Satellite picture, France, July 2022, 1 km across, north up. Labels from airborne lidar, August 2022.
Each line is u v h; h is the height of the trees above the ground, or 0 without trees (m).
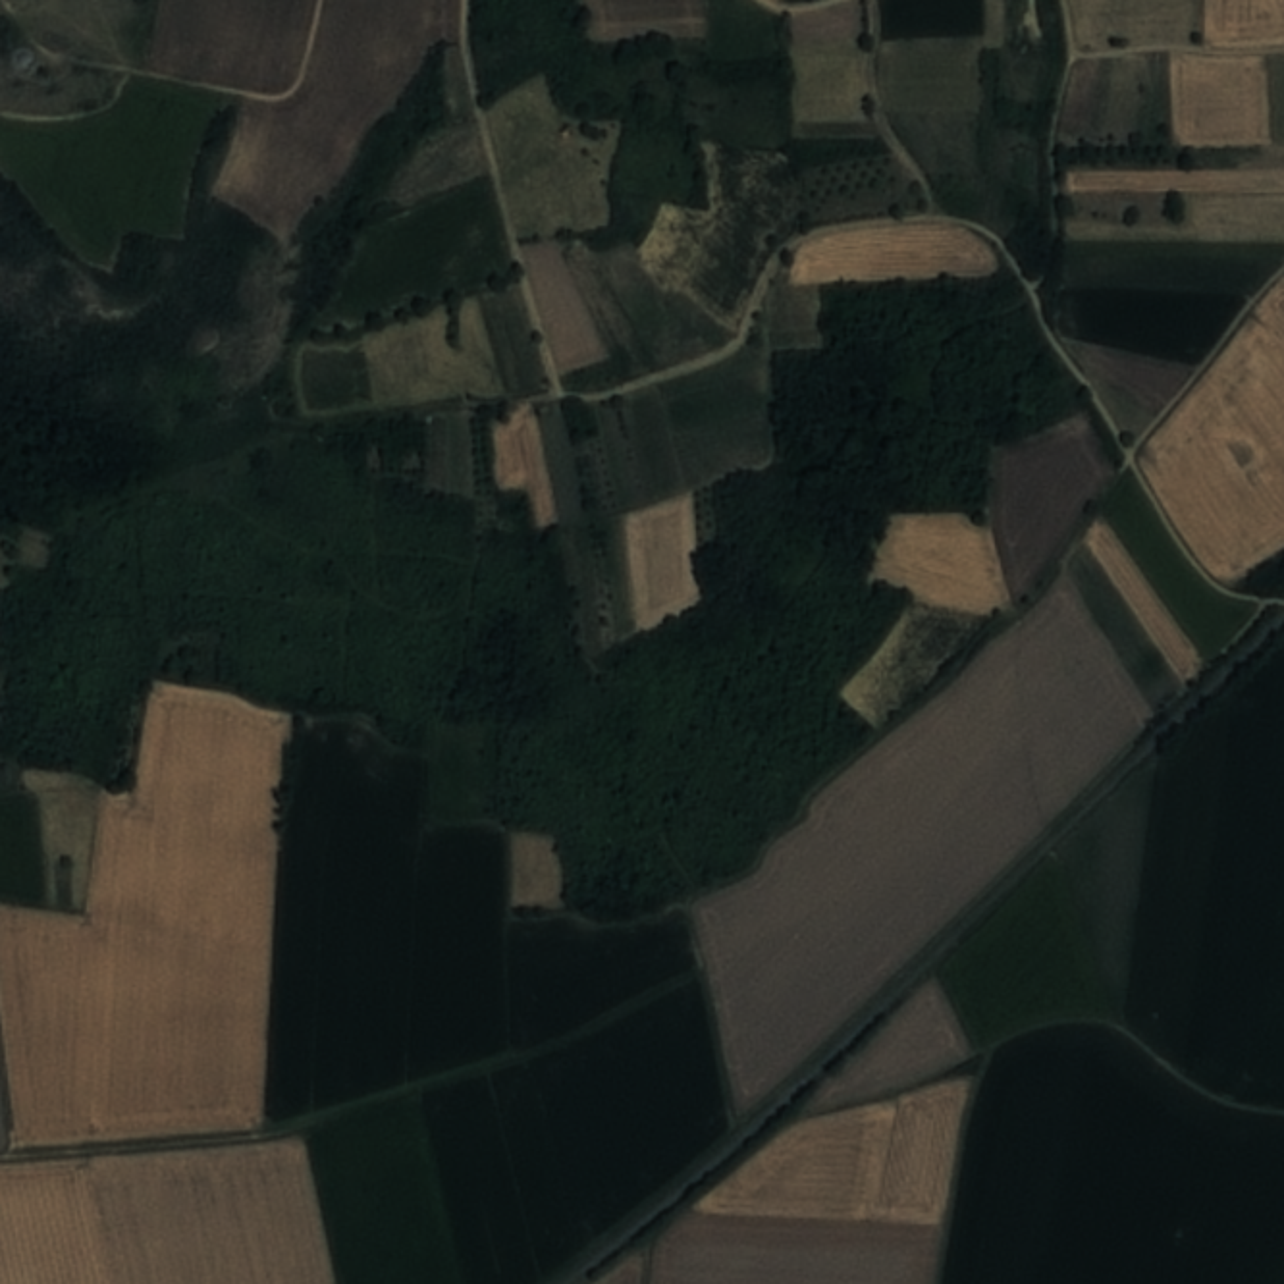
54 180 0
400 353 0
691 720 6
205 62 0
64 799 0
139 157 0
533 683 11
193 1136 0
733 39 0
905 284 9
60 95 0
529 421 0
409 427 9
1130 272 0
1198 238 0
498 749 6
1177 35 0
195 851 0
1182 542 0
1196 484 0
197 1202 0
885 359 14
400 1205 0
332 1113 0
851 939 0
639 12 0
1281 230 0
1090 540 0
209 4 0
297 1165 0
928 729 0
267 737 0
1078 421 0
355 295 0
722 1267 0
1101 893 0
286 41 0
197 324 6
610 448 0
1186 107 0
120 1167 0
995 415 11
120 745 8
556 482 0
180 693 0
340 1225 0
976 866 0
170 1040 0
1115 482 0
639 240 6
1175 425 0
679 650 7
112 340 7
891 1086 0
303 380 0
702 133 7
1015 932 0
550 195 0
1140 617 0
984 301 8
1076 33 0
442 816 0
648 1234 10
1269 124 0
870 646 10
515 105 0
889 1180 0
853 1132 0
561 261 0
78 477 16
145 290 5
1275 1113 0
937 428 11
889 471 20
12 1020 0
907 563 0
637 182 0
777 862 0
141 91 0
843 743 8
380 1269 0
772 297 0
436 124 8
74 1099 0
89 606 9
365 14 0
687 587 0
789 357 6
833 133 0
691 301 0
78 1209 0
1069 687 0
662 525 0
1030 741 0
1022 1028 0
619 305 0
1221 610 0
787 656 7
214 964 0
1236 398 0
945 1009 0
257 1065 0
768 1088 0
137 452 14
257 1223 0
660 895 6
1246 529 0
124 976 0
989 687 0
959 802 0
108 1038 0
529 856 0
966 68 0
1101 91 0
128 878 0
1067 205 13
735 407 0
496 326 0
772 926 0
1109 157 9
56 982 0
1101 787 0
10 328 6
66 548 7
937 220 0
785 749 8
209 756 0
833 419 14
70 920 0
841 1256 0
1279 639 10
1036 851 0
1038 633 0
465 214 0
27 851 0
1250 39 0
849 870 0
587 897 6
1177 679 0
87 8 0
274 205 0
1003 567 0
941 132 0
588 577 0
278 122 0
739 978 0
